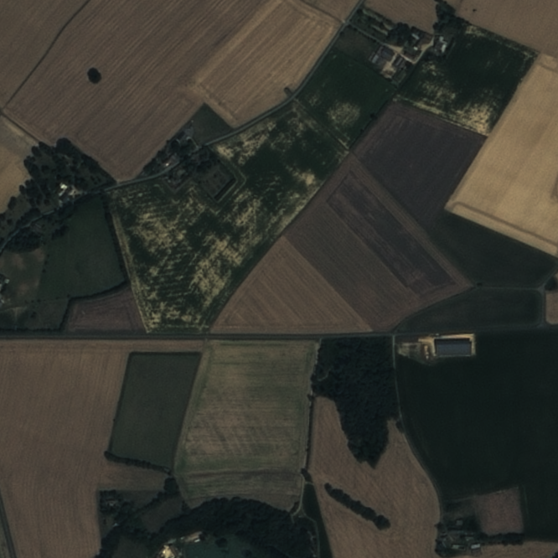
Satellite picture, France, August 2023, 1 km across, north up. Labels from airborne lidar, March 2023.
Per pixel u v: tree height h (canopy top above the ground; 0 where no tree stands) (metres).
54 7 0
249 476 0
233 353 0
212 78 0
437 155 0
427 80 0
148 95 0
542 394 0
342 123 0
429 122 0
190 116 0
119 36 0
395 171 0
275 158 0
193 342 0
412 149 0
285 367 0
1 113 0
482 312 0
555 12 0
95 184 8
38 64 0
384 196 0
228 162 0
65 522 0
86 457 0
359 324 0
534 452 0
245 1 0
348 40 0
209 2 0
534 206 0
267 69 0
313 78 0
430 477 0
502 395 0
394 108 0
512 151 0
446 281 0
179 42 0
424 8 0
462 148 0
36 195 8
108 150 0
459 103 0
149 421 0
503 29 0
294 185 0
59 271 0
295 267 0
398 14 0
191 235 0
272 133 0
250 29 0
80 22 0
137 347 0
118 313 0
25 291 0
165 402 0
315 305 0
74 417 0
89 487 0
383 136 0
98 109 0
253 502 8
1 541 0
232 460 0
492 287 0
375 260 0
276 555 30
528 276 0
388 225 0
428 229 0
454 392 0
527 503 0
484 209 0
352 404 21
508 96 0
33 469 0
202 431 0
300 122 0
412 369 0
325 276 0
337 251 0
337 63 0
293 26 0
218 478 0
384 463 0
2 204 0
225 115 0
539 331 0
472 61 0
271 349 0
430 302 0
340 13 0
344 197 0
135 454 0
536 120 0
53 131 0
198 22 0
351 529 0
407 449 0
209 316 0
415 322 0
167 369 0
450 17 11
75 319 0
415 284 0
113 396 0
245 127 0
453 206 0
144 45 0
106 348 0
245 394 0
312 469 0
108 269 0
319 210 0
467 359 0
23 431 0
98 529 0
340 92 0
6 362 0
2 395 0
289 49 0
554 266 0
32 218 6
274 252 0
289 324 0
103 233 0
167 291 0
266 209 0
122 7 0
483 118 0
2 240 10
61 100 0
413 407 0
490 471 0
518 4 0
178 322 0
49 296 0
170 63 0
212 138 0
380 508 0
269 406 0
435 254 0
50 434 0
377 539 0
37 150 13
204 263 0
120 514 10
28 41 0
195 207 0
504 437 0
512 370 0
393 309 0
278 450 0
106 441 0
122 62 0
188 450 0
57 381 0
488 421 0
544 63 0
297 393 0
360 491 0
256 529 22
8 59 0
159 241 0
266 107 0
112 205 0
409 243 0
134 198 0
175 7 0
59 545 0
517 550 0
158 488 0
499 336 0
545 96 0
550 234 0
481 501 0
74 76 0
